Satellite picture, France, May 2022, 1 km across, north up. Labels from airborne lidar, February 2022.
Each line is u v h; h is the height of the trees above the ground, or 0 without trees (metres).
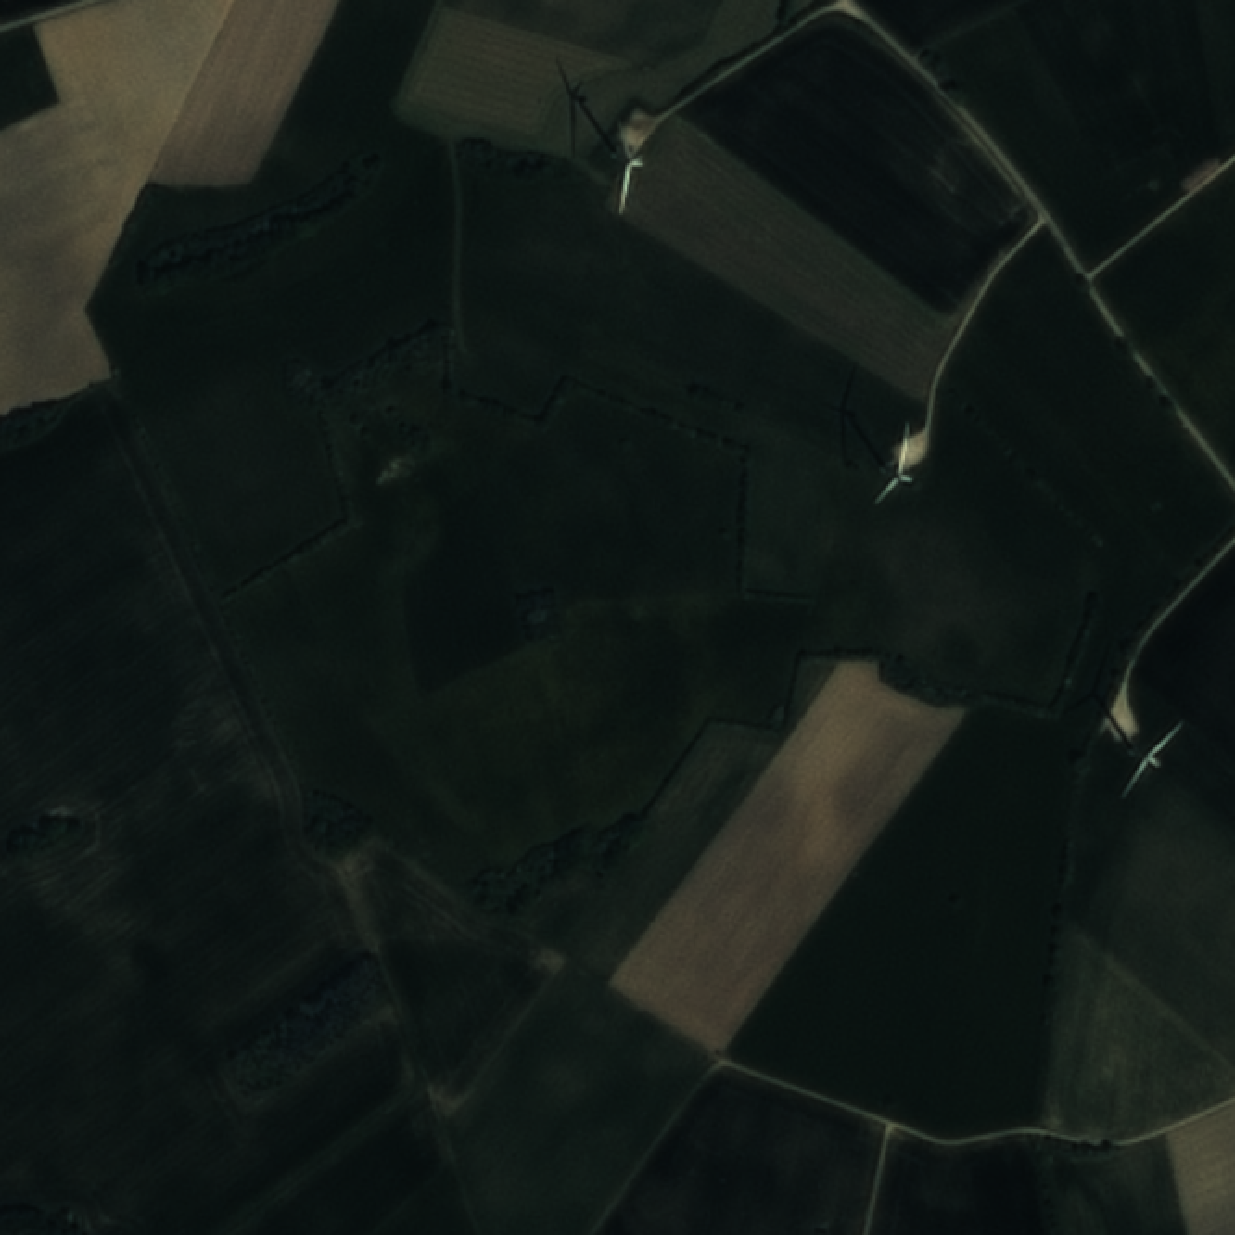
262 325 0
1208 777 0
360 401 0
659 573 0
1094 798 0
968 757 0
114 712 0
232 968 0
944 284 0
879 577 0
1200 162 0
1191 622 0
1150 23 0
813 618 0
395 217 0
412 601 0
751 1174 0
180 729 0
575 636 0
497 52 0
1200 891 0
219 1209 0
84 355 0
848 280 0
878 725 0
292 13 0
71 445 0
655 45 0
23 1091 0
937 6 0
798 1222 0
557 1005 0
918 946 0
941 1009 0
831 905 0
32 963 0
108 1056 0
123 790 0
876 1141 0
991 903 0
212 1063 0
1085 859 0
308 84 0
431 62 0
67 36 0
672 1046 0
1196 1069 0
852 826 0
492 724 0
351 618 0
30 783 0
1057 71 0
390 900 0
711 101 0
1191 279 0
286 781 0
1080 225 0
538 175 7
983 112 0
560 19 0
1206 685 0
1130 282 0
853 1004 0
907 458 0
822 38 0
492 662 0
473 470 0
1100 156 0
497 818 0
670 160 0
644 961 0
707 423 0
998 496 0
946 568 0
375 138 0
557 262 0
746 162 0
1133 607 0
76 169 0
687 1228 0
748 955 0
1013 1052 0
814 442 0
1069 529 0
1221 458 0
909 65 0
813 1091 0
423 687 0
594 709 0
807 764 0
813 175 0
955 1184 0
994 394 0
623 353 0
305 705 0
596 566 0
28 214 0
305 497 0
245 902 0
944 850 0
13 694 0
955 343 0
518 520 0
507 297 0
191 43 0
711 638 0
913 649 0
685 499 0
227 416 0
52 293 0
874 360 0
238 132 0
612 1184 0
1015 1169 0
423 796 0
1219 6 0
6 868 0
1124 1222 0
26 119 0
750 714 0
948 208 0
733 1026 0
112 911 0
